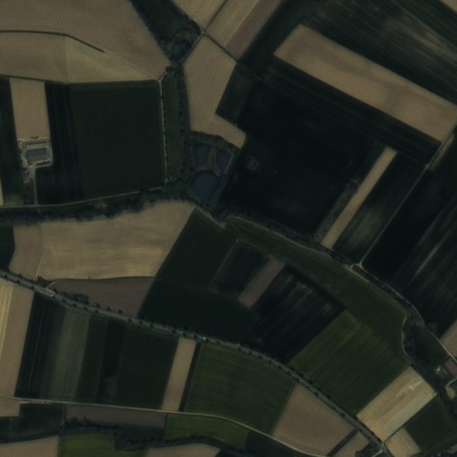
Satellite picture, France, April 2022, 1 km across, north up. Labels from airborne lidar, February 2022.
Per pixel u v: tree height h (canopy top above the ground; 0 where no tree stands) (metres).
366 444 0
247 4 0
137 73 0
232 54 0
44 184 0
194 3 0
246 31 0
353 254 0
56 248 0
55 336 0
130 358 0
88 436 0
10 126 0
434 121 0
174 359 0
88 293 0
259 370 0
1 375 0
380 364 0
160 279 0
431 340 0
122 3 0
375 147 0
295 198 0
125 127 0
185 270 0
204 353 0
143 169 0
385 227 0
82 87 0
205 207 15
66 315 0
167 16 0
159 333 0
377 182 0
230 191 0
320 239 0
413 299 0
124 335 0
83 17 0
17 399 0
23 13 0
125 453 0
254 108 0
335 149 0
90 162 0
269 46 0
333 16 0
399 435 0
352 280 0
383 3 0
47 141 0
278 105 0
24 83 0
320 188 0
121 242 0
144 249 0
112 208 0
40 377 0
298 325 0
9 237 0
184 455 0
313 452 0
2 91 0
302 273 0
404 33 0
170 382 0
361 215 0
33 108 0
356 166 0
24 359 0
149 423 0
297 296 0
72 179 0
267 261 0
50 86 0
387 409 0
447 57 0
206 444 0
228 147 6
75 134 0
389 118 0
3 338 0
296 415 0
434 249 0
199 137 14
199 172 0
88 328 0
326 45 0
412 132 0
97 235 0
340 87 0
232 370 0
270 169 0
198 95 0
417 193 0
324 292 0
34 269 0
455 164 0
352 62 0
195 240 0
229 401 0
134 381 0
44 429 0
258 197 0
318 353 0
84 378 0
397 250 0
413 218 0
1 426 0
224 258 0
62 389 0
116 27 0
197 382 0
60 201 0
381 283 13
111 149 0
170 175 6
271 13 0
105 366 0
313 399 0
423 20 0
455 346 0
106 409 0
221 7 0
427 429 0
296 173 0
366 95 0
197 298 0
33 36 0
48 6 0
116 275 0
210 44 0
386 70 0
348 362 0
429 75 0
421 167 0
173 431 0
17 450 0
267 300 0
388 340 0
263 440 0
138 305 0
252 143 0
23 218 35
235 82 0
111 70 0
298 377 0
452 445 0
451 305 0
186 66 0
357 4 0
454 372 0
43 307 0
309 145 0
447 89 0
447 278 0
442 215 0
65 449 0
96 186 0
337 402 0
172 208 0
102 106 0
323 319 0
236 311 0
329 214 0
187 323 0
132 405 0
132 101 0
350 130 0
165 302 0
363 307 0
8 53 0
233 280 0
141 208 20
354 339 0
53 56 0
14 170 0
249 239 0
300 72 0
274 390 0
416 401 0
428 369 19
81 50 0
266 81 0
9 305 0
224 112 0
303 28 0
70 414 0
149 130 0
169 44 22
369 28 0
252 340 0
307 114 0
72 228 0
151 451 0
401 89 0
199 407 0
